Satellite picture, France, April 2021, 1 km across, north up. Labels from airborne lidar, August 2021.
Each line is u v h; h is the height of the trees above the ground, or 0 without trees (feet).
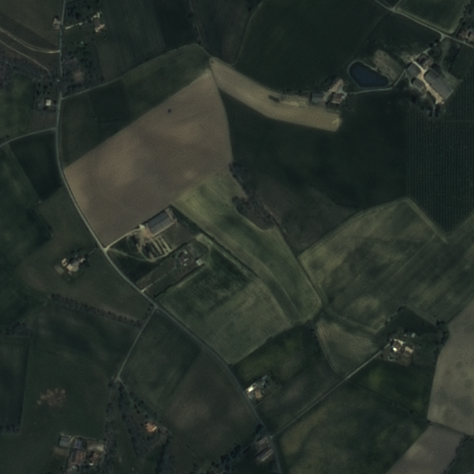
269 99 0
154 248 0
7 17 0
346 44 0
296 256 0
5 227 0
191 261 0
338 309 0
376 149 0
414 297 0
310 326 24
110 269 0
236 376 0
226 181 0
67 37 0
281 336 0
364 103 0
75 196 0
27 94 0
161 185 0
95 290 0
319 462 0
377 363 0
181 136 0
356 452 0
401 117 0
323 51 0
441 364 0
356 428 0
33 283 0
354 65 0
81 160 0
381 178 0
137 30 0
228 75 0
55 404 0
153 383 0
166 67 0
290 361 0
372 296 0
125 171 0
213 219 0
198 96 0
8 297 0
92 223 0
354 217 0
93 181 0
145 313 0
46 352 0
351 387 0
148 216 0
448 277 0
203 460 0
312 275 0
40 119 0
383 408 0
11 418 0
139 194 0
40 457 0
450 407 0
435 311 0
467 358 0
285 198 0
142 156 0
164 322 0
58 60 0
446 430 0
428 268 0
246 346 0
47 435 0
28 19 0
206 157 0
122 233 0
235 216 0
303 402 0
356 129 0
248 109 0
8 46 0
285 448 0
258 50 0
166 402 0
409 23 0
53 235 0
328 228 0
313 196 0
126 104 0
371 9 0
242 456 63
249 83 0
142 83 0
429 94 0
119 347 0
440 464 0
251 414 0
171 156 0
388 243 0
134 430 59
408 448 0
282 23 0
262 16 0
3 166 0
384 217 0
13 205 0
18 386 0
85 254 22
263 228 0
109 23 0
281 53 0
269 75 0
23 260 0
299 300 0
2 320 0
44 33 0
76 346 0
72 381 0
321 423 0
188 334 0
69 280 0
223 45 0
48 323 0
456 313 0
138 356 0
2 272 0
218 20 0
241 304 0
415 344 0
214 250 0
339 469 0
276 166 0
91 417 0
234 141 0
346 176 0
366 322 0
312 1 0
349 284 0
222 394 0
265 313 0
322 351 34
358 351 0
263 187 0
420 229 0
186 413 0
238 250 0
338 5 0
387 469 0
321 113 0
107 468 49
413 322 0
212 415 0
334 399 0
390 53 0
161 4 0
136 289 0
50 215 0
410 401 0
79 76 0
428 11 0
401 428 0
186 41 0
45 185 0
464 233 0
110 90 0
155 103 0
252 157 0
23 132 0
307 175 0
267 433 38
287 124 0
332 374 0
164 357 0
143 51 0
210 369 0
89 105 0
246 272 0
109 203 0
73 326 0
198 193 0
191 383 0
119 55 0
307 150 0
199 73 0
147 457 62
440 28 0
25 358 0
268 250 0
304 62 0
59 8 0
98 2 24
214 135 0
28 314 0
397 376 0
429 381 0
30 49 0
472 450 0
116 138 0
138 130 0
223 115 0
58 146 0
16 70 36
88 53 21
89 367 0
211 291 0
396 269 0
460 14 0
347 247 0
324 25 0
